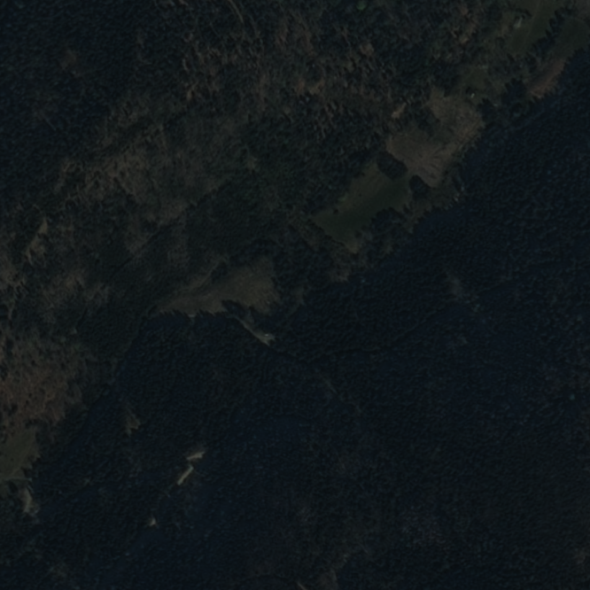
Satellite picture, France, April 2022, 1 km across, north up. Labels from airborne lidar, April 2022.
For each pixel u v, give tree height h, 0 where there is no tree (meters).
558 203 27
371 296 25
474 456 24
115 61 27
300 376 14
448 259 22
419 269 24
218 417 24
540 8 0
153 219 8
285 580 14
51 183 26
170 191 26
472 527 26
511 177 26
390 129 36
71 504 22
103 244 30
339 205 20
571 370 22
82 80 9
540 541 19
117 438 24
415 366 23
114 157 22
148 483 22
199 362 26
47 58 29
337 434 19
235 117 24
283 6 29
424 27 21
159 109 28
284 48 26
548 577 21
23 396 8
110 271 28
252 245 28
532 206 26
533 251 25
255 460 15
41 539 18
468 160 6
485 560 27
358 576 16
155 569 17
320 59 19
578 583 17
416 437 28
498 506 23
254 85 29
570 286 37
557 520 16
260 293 0
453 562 23
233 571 15
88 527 22
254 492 13
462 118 0
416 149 0
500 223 34
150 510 15
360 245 9
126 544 20
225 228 25
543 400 24
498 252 25
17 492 23
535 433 21
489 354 16
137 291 27
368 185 0
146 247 23
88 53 28
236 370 24
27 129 28
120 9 29
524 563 21
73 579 9
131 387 24
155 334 24
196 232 25
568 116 27
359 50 29
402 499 18
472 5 29
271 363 20
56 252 29
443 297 27
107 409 26
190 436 19
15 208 25
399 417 20
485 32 29
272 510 27
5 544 12
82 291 22
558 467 16
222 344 21
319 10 22
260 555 20
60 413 18
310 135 29
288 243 31
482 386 24
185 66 31
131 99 17
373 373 23
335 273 24
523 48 0
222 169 20
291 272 28
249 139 34
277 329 32
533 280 32
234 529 8
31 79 31
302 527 24
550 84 0
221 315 0
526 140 34
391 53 37
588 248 33
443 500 26
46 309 27
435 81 11
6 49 34
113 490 25
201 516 13
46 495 18
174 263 23
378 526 37
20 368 10
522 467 23
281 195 29
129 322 31
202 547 11
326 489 17
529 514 20
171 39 33
